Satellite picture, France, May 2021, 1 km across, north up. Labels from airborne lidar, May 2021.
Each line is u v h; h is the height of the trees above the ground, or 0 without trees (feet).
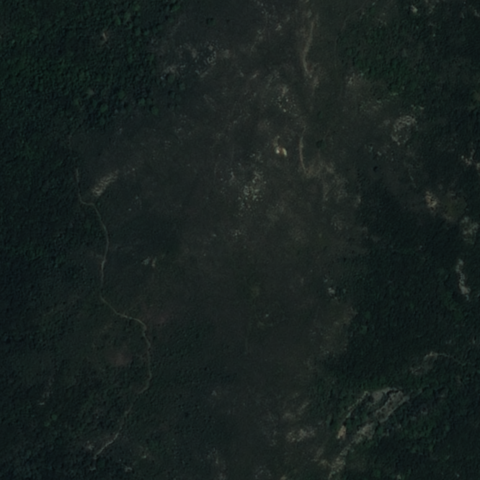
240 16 0
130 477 22
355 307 21
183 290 0
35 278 28
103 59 30
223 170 0
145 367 19
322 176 0
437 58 21
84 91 29
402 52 66
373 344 39
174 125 0
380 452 30
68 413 43
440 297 56
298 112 0
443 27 23
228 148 0
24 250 62
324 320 0
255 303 0
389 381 49
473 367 52
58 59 49
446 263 40
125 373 46
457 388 49
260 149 0
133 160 0
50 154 41
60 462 43
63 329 33
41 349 28
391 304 66
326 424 41
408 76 21
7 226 59
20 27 24
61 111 37
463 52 25
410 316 64
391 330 54
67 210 35
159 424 20
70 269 25
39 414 31
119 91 53
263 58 0
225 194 0
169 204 0
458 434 31
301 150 0
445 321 45
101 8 31
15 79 44
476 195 30
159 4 27
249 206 0
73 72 56
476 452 42
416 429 29
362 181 24
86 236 33
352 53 32
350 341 18
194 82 0
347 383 44
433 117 33
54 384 21
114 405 19
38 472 41
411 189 20
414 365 31
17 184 49
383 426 38
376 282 36
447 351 35
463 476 43
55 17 62
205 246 0
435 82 24
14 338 53
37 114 34
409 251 51
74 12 30
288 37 0
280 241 0
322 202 0
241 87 0
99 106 31
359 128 0
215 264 0
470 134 56
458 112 42
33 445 35
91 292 20
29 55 35
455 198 24
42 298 26
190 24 0
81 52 34
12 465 59
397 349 33
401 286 67
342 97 0
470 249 29
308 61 0
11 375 20
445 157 19
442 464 34
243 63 0
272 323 0
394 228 32
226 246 0
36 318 24
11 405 31
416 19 42
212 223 0
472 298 45
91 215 28
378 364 49
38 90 33
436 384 51
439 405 60
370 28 26
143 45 19
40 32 47
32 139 32
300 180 0
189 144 0
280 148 0
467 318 62
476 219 50
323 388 20
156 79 30
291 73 0
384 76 26
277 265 0
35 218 37
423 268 37
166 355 20
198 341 18
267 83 0
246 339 0
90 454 30
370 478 42
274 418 0
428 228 21
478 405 26
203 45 0
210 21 35
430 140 18
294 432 0
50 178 24
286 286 0
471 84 18
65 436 61
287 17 0
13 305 32
